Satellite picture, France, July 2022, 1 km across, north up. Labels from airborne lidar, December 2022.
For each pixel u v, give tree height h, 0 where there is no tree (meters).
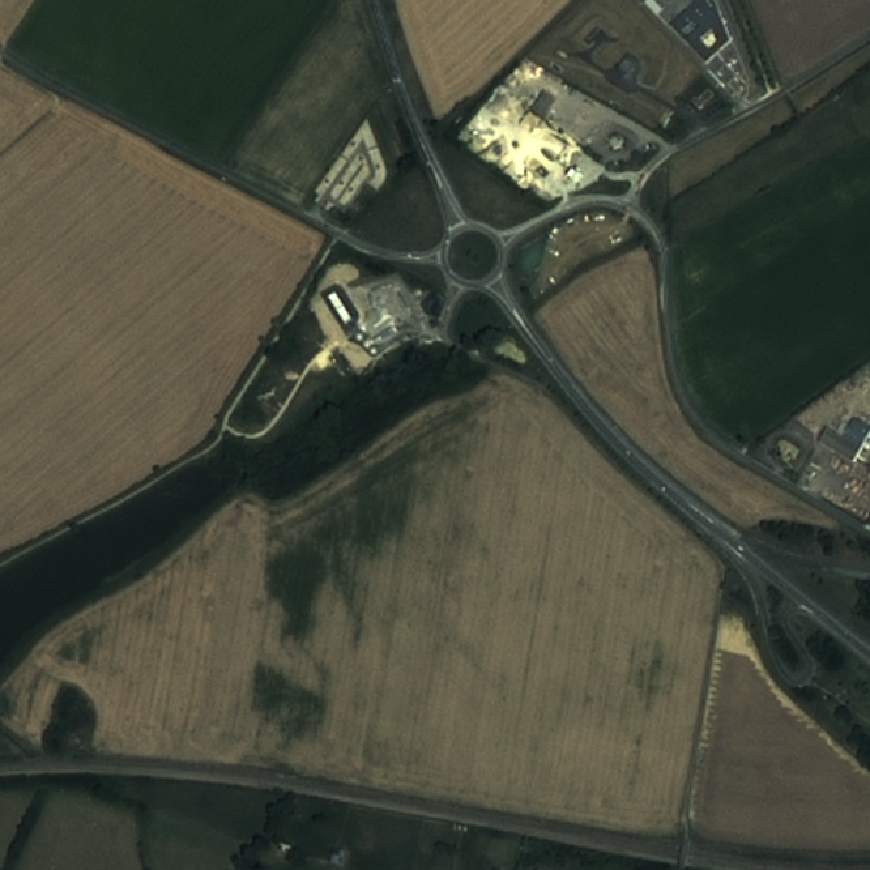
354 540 0
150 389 0
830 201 0
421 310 0
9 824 0
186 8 0
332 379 0
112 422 0
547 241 0
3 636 0
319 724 0
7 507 0
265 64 0
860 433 0
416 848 0
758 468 0
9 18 0
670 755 0
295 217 0
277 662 0
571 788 0
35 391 0
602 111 0
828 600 0
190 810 0
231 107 0
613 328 0
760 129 0
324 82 0
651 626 0
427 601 0
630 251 0
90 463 0
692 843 0
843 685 6
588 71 0
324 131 0
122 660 0
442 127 17
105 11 0
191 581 0
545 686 0
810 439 0
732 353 0
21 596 0
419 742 0
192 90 0
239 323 0
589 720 0
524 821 0
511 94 0
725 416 0
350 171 0
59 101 0
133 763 0
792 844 0
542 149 0
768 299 0
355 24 0
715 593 0
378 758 0
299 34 0
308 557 0
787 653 12
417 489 0
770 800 0
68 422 0
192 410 0
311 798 7
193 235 0
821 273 0
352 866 0
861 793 0
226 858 0
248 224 0
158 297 0
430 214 0
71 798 0
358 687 0
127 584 0
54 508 0
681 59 0
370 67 0
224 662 0
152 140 0
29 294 0
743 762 0
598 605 0
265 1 0
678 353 0
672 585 0
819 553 0
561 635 0
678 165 0
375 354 0
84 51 0
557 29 0
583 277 0
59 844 0
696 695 0
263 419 0
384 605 0
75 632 0
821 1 0
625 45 0
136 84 0
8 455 0
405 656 0
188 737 0
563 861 8
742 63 0
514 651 0
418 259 0
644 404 0
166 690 0
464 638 0
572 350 0
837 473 0
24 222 0
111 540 0
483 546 0
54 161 0
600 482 0
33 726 0
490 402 0
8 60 0
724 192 0
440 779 0
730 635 0
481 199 0
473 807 0
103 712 0
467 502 0
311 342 0
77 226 0
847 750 0
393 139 0
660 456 0
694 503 0
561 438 0
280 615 0
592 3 0
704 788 0
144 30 0
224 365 0
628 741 0
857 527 0
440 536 0
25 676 0
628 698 0
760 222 0
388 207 0
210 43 0
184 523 0
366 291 0
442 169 0
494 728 0
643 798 0
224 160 0
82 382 0
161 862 0
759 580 0
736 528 0
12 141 0
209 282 0
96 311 0
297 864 14
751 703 0
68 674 0
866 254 0
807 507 0
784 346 0
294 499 0
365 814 0
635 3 0
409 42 0
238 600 0
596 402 0
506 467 0
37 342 0
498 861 0
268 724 0
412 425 0
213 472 0
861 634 0
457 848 9
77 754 0
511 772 0
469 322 0
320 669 0
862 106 0
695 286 0
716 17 0
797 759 0
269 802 0
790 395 0
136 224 0
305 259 0
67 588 0
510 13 0
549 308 0
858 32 0
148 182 0
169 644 0
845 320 0
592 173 0
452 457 0
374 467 0
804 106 0
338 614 0
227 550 0
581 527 0
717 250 0
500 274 0
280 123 0
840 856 0
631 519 0
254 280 0
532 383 0
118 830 0
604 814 0
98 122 0
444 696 0
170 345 0
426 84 0
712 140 0
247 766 0
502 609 0
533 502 0
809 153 0
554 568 0
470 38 0
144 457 0
